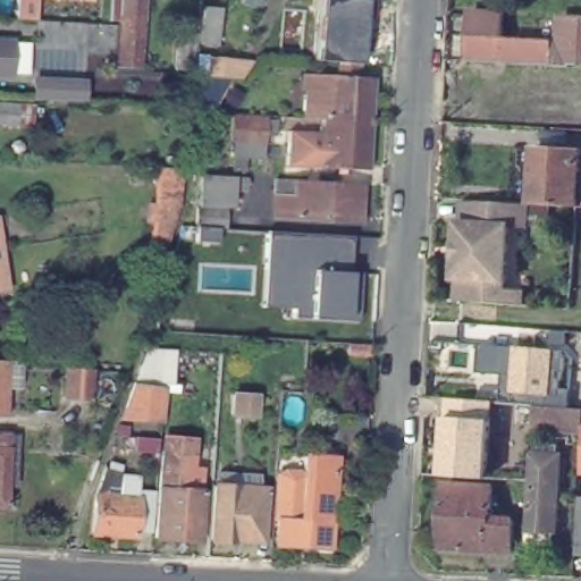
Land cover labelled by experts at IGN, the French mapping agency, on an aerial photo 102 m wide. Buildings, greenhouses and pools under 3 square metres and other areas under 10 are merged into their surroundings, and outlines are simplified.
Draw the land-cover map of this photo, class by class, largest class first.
<instances>
[{"label":"herbaceous vegetation","instance_id":"1","mask_svg":"<svg viewBox=\"0 0 581 581\"><path fill-rule=\"evenodd\" d=\"M41 18L50 23L109 25V18L98 16V5L102 0H39ZM152 20L170 7L175 16L191 18L195 23V30L200 32L204 9L220 7L225 11L222 32L227 34V43H220L216 48L204 45L200 34L195 36V48H191L188 59L200 64L202 54L247 59L254 64L256 59L268 54H284V18L291 16L293 7L304 9V32L297 30L300 48L313 50V0H148ZM370 39L377 41V48L370 54V66L359 68V118L354 166L374 168L379 163L381 132L379 118H390V107H395L393 86L386 84L390 79V52L386 48L393 45V34H379L381 5L386 0H370ZM556 14H572L581 18V0H527L517 9V18H502V36L540 41H554L551 32H542V23L547 18ZM175 45H168L163 39L157 36L150 41L145 64L138 70L116 73L113 61H118L120 57L113 50L109 54L89 57V66L84 70L86 79L91 86V102L36 98L30 107H41L45 111L32 125L50 134L64 132L70 138L73 157L66 163L30 154L20 143V129L0 127V218L7 241L9 275L14 291L27 284L43 268L45 261H52L61 252H66L73 241L82 245V256L86 261L98 256H113L120 266L136 250L150 245L175 252L184 263H191L193 259L197 263H229V266L252 270V288L243 293L211 291V293H200V291H197V284L188 291V302L179 304L172 322L152 350L179 352L177 381L182 384V393L170 395L166 422H132L129 429L116 427L107 449H100L68 452L73 465H59L57 456H48V429L27 431L25 479L20 486V497L14 502L9 513H0V547L66 549L86 547V542L93 536V502H100L102 490L107 474L100 468L104 463H116L113 456H127L129 465H138L141 454L136 438H166L172 433L195 436L202 445L218 449V458L227 465L229 472L236 470L243 474H263L266 486L277 483V461L295 456L291 452V422L286 420L284 411L288 397H295L300 388L295 386V381L306 374L309 363L343 370L350 359V345L372 347L386 345V336H372V320L370 306L356 322H297L291 318V309H263L261 297L266 231H234L227 234L220 243L209 245L200 247L179 236L184 227H195L191 188L197 186L200 177L195 175L193 179H184L182 207L177 211V222L172 227V238H159L152 236V227L148 222L150 204L157 200L154 179H138L123 166H113L109 148L102 143L100 136L116 134L123 152L138 150L143 154L159 150L166 159L163 168L170 170V159H175L184 148V143L177 138L191 129V125H177L172 113L163 118H152L141 102L123 104L116 113H102V104L95 100L100 91H125L129 82H136L138 93L150 95L152 100L157 89L177 86L182 82L179 70H175L172 66ZM34 182L50 184L54 193L52 222L43 227L39 234L30 229L20 231L7 213V209L16 204L11 195ZM213 354H222V388L231 395H263V415L256 422L245 424V461L243 465H236L234 422L229 404L222 402L220 436L211 433L216 402ZM234 356L250 363L252 372L247 377L231 374L229 363ZM43 499H52L59 506H64L73 520V527H68L59 538H32L25 533L23 513H30L32 506ZM443 113H449L454 118V125L536 129L540 143L547 148L556 145L581 150V73L574 79H563L547 75L545 66H515L506 64L504 59L470 61L468 57L454 54V59H445ZM300 73L297 68L279 66L268 75V79L256 93L247 95L243 107L275 111L284 100H288ZM456 143L454 168L463 182L461 186H456V191L461 193L499 191L508 186V182L511 154L515 145H486L458 138L454 141L447 136L438 143V157H443V148H452ZM236 168L229 166V154L225 150H218V166L209 168L207 177L234 175ZM515 291L522 293V300L515 306H499L497 311L474 302L461 304L456 309V304L449 297L431 302L436 306V322L527 327L549 331H565L567 347L576 359L581 356V247L574 250L572 245L558 238L549 247V254H545L538 247L536 256L527 263V268L520 272V284ZM141 313L132 311L127 302L118 297V311L111 313L98 329L91 327L79 338V343L89 347V354L95 365L93 370L102 372V379H111V381H116V386H113L111 393L104 397H93L91 393H86L89 406H84L82 411V420L89 422L91 429H102V418L109 409L118 418L123 415L136 370L134 365H125L120 361L125 356V340L136 329ZM59 365L23 368L25 388L11 393L14 411H57L59 402L61 384H48L52 370H57ZM427 397H445L474 399L477 388L465 372L436 370L427 374ZM483 465L479 477L490 488L488 513L504 515L511 520L513 549L522 540L520 504L524 502L527 454L531 447L527 445V436L536 427L529 415V406H517L515 411H511L508 406H490L488 420L483 422ZM329 427L365 429L363 415L336 413ZM433 420L424 418L422 443V497L418 504V529L420 533H427L433 540ZM554 445L558 449L561 506H556V531L549 540V545L556 551L558 574L574 576L579 581H581V561H572V533L567 527V517L581 511V440L576 438L570 445H565L563 436ZM136 545L138 549L152 547L154 556H216L247 561L268 558V556L266 540H241L238 545H229L225 549L222 545L213 542L211 536H207L204 547H200L197 542L186 540L152 538L145 529L134 540L111 538V551ZM440 572L492 574L495 570L504 567L511 570V556L490 551L481 554V558L463 554L440 556Z\"/></svg>","mask_w":581,"mask_h":581},{"label":"building","instance_id":"2","mask_svg":"<svg viewBox=\"0 0 581 581\"><path fill-rule=\"evenodd\" d=\"M16 16L25 20L41 18L39 0H18ZM98 16L109 18V25L116 27L113 50L120 57L118 61H113L116 73L138 70L145 64L150 41L152 20L148 0H102L98 5ZM329 27L322 59L329 66H338L336 75L300 73L288 100L302 107V116L288 118L238 116L243 107L247 95L238 79L247 77L254 64L247 59L202 54L200 64L207 73L213 75L211 84L204 91L202 104L207 109H220L231 118L229 141L225 150L229 154V166L236 168L234 175L207 177H200L197 186L191 188L195 227L202 229V241L209 245L220 243L227 234L234 231L229 225V209H241L238 179H247L243 184V193H250V182L256 172L275 175V159L268 157L266 148L275 143V136L279 132H293V163H297L302 172H338L345 166H354L359 118V68L370 66V54L377 48V41L370 39V0H325ZM447 9V11L456 16L454 54L468 57L470 61L504 59L506 64L515 66H545L547 75L563 79H574L581 73V18L572 14H556L547 18L542 23V32H551L554 41H540L502 36V18L497 11L479 9L472 0H445ZM225 11L220 7L204 9L200 32V34L204 45L216 48L220 43H227V34L222 32ZM25 82L34 86V95L36 98L91 102V86L86 79L41 77L32 70V43L18 45L14 39H0V84ZM191 48L175 45L172 66L175 70H179L188 59ZM45 111L41 107H30L0 102V127L20 129L32 125ZM524 172L520 186V202H463L461 216H440L433 229V243L443 245V254L449 297L456 304V309L461 304L474 302L497 311L499 306H515L522 300V293L515 291L504 288L502 284L506 231L504 222L506 218H515L517 227L531 231L536 220L547 218L549 209H581V150L556 145L547 148L540 143L538 148H524ZM157 200L150 204L148 222L152 227V236L159 238H172V227L177 222V211L182 207L184 179L175 170H170L163 168L161 175L154 179ZM365 177L340 175L338 182H295L279 179V175H277L272 179V218L277 222H320L359 227L365 222L368 216V193L361 191V182ZM14 291L9 275L7 241L0 218V295ZM356 259V254L352 236L266 231L261 297L263 309H291V318L297 322H356L370 306L372 320L386 309L388 272L381 270L368 275L354 270L352 261ZM581 361V356L576 359L567 347L565 331H549V336L542 338L540 347L502 350L492 338H483L479 343V347L474 350V370L483 374H497V384H488V388L495 393L497 406H508L511 411H515L517 406H529V415L536 427L551 424L563 436L565 445H570L576 438L581 440V411L567 406V393L558 386V381L565 363ZM350 359L372 356V347L350 345ZM179 352L152 350L150 354H145L136 370L123 415L118 418L116 427L129 429L132 422H166L170 395L182 393V384L177 381ZM216 402L211 433L220 436L222 402L229 404L234 422L245 424L256 422L263 415V395H231L222 388V354H213ZM25 388L23 368L16 361H0V418L14 411L11 393ZM100 379H102V372L93 370L70 368L66 370L61 384L59 402L66 409L79 406L82 411L84 406H89L86 393H91L93 397H104L111 393L113 386H100ZM490 406L483 399H474L445 397L440 402V413L433 420V540L431 547L440 556L463 554L481 558V554L490 551L511 556L513 549L511 520L504 515L488 513L490 488L479 477L483 465V422L488 420ZM27 431L18 424H0V513H9L14 502L20 497V486L25 479ZM141 454H152L159 461L157 490H145L141 477L127 474L120 486L107 492L102 490L100 502H93V536L111 538L134 540L145 529L152 538L186 540L197 542L200 547H204L207 536H211L213 542L222 545L225 549L229 545H238L241 540H266L268 556L277 547L331 554L338 549V517L334 515V506L336 497H340L343 486V456L331 454L295 456L277 461V483L266 486L263 474H243L236 470L229 472L227 465L218 458V449L202 445L195 436L172 433L166 438H136ZM556 506H561L558 449L554 445H545L538 440V445L531 447L527 454L524 502L520 504L522 540H549L556 531ZM567 527L572 533V561H581V511L567 517Z\"/></svg>","mask_w":581,"mask_h":581},{"label":"impervious surface","instance_id":"3","mask_svg":"<svg viewBox=\"0 0 581 581\"><path fill-rule=\"evenodd\" d=\"M313 54L322 59L329 27L325 0H313ZM404 9L398 14L396 82L393 86L395 107H390V118H379L381 132L388 125L393 127V152L399 157L386 161L384 166L379 163L374 168L354 166H345L338 172H302L279 175V179L295 182H338L340 175L365 177L361 182V191L368 193V216L365 222L359 227L320 222H277L272 218V179L277 175H275L256 172L250 182V193H243V184L247 179H238L241 209H229V225L234 231H266L352 236L356 254V259L352 261L354 270L368 275L381 270L388 272L386 309L372 320V336H386V345L372 347V356L377 359V370L381 374L379 395L374 399V413L363 415L365 429L329 427L306 424L304 436L309 440L322 438L331 454L343 456L352 449V440H356L359 431H363L365 438H381L393 452L399 454L397 470L393 472L388 492L379 502H374L370 511V547L368 561L352 574H318L309 570L293 572L291 567H286L284 572H275L186 567L177 563L152 565L154 556L152 547L138 549L136 545L111 551L98 556L86 547L66 549V561L0 556V581H433L427 579L418 567L411 554V533L413 486L418 479L413 477V452L406 445L415 440L422 443L424 418L433 420L440 413V402L445 397H427V388L420 386V363L415 359L420 356V345L415 343V334L418 325L422 322V302L427 300L429 261L418 254L420 245L429 241V229H433L440 216H461L463 202H520V186L508 182V186L499 191L461 193V197H443L438 191L443 157H438V143L433 141L436 123L431 120V104L433 73L438 68H431V50H436L433 27L438 23V16L447 9L445 0H397ZM456 16L447 11L445 59H454V54ZM0 39H14L18 45L32 43V70L41 77L86 79L84 70L89 66V57L109 54L113 50L116 27L109 25L50 23L41 18L25 20L16 16L14 20H0ZM0 93L34 95V86L25 82L0 84ZM443 120L452 123L447 127V136L454 141L458 138L486 145H515L524 143V148H538L540 143L536 129L454 125V118L449 113H443ZM506 231L502 284L504 288L515 291L520 284V272L527 268V263L520 252V243L531 236V231L517 227L515 218H506L504 222ZM227 266H229V263H197V291H200V293H211V291H209V288H204V284H202V275H204V268H227ZM549 336V331L527 327L436 322L429 325V352L438 356L436 370L465 372L477 388L474 399H483L490 406H497L495 393L488 388V384H497V374H483L474 370V350L479 347V343L483 338H492L502 350L540 347L542 338ZM454 352L465 354V365L449 363V356ZM558 386L567 393V406L581 411V361L565 363L558 381ZM245 424L234 422L236 465H243L245 461ZM107 474L102 490L107 492L120 486L127 474L123 463H104L100 468Z\"/></svg>","mask_w":581,"mask_h":581},{"label":"deciduous trees","instance_id":"4","mask_svg":"<svg viewBox=\"0 0 581 581\"><path fill-rule=\"evenodd\" d=\"M479 9L497 11L502 18H517V9L527 0H472ZM200 34V32L195 30V23L191 18L175 16L170 7L152 20L150 41L157 36L163 39L168 45H175L191 48H195V36ZM182 82L177 86L157 89L152 100L141 102L152 118H163L172 113L177 125H191V129L177 138L184 143V148L175 159H170V170H175L184 179H193L195 175L200 177H207L209 168L218 166V150H225L229 141L231 118L220 109H207L202 104L204 91L211 84L213 75L207 73L200 64L188 59L179 70ZM20 143L30 154L66 163L73 157L70 138L64 132L50 134L32 125L20 129ZM102 143L109 148L113 166H123L138 179H154L161 175L163 168L166 159L159 150L143 154L138 150L123 152L116 134L100 136ZM16 204L7 209V213L20 231L30 229L39 234L43 227L52 222L54 193L50 184L34 182L11 195ZM558 238L572 245L574 250L581 247V209H549L547 218L536 220L531 231V236L520 243V252L527 263L536 256L538 247L545 254H549V247ZM184 263L175 252L150 245L136 250L120 266L113 256H98L86 261L82 256V245L73 241L66 252H61L52 261H45L43 268L27 284L14 291L0 295V361H16L23 368L59 365L57 370H52L48 384H61L66 370L70 368L93 370L95 365L89 354V347L79 343V338L91 327L98 329L111 313L118 311V297L127 302L132 311L141 313H150V306L157 297H168L172 293V288L182 279ZM231 374L247 377L252 372L250 363L234 356L229 363ZM381 374L377 370V359L372 356L350 359L343 370L309 363L306 374L295 381V386L300 388L295 397L304 402V418L302 422H291V452L295 456L331 454L322 438L309 440L304 436L306 424L329 427L336 413L363 415L374 413V399L379 395ZM91 429L89 422L82 420H70L68 424H64V449L61 456H57L59 465H73L68 452L100 449L95 447L93 438H89ZM563 436L551 424L536 427L527 436V445L531 447L538 445V440L545 445H554ZM399 454L393 452L381 438H365L363 431H359L356 440H352V449L343 456V486L340 497H336L334 506V515L338 517V549L331 554L338 567L350 563L363 545L370 547V511L374 502H379L388 492L393 472L397 470ZM116 463H123L127 474L141 477L145 490H157L159 461L152 454H141L138 465H129L127 456H113ZM25 533L32 538H59L68 527H73V520L64 506H59L52 499H43L32 506L30 513H23ZM433 540L427 533H420L418 529L411 533V554L418 567L431 561V567L440 572V556L431 547ZM86 547L98 556L111 551V538L93 536L86 542ZM511 570L515 576H520V581H579L574 576L558 574L556 551L549 545V540H522L513 549L511 556Z\"/></svg>","mask_w":581,"mask_h":581},{"label":"pervious surface","instance_id":"5","mask_svg":"<svg viewBox=\"0 0 581 581\"><path fill-rule=\"evenodd\" d=\"M404 9L397 0H386L381 5L379 34H393V45L386 48L390 52V79L386 84L393 86L396 82L398 14ZM447 11V9L438 16V23L433 27L436 50H431V68H438L433 73L431 104V120L436 123L433 141L438 143L447 136V127L452 123L443 120V113L445 59ZM393 127L388 125L381 132L379 163L384 166L386 161L399 157L393 152ZM268 157L275 159V175H279L302 172L297 163H293V132H279L275 136V143L266 148ZM179 236L200 247L209 245L202 241V229L195 227H184ZM433 254H443V245L433 243V229H429V241L420 245L418 254L429 261ZM436 306L431 302L427 300L422 302V322L418 325L415 334V343L420 345V356L415 359L420 363V386L427 388V374L436 370L438 356L429 352V325L436 322ZM70 420H82V411L79 406L66 409L59 402L57 411H14L0 418V424H18L27 431L48 429V456H61L64 449V424H68ZM413 452V477L418 479L413 486L411 533L418 529V504L422 497V443L415 440L406 445ZM370 547L363 545L350 563L338 567L302 563L291 567L293 572L309 570L318 574H352L368 561ZM0 556L66 561V549L0 547ZM177 563L186 567L275 572L272 561L268 558L247 561L216 556H154L152 565ZM427 579L433 581H520V576H515L511 570L504 567L495 570L492 574L440 572L431 567V561L418 567Z\"/></svg>","mask_w":581,"mask_h":581},{"label":"brushwood","instance_id":"6","mask_svg":"<svg viewBox=\"0 0 581 581\"><path fill-rule=\"evenodd\" d=\"M279 66L297 68L300 73L336 75L338 66H329L322 59L313 54V50L300 48L295 54H268L256 59L254 64L247 77L238 79L247 95L256 93L268 79V75ZM95 100L102 104V113H116L123 104L141 102L152 100L150 95L138 93L136 82H129L125 91H100ZM36 98L34 95L0 93V102L30 107ZM238 116L288 118L302 116V107L288 100H284L275 111L243 107ZM456 143L452 148H443V157L438 191L443 197H461V193L456 191V186H461L463 182L454 168ZM524 143L515 145L511 154L508 182L520 186L524 172ZM427 300L431 302L449 297L443 254H433L429 261ZM197 284V263L193 259L191 263H184L182 279L172 288V293L168 297H157L150 306V313H141L136 329L125 340V356L120 361L125 365H134L136 370L145 354H150L152 350L172 322L179 304L188 302V291ZM118 418L109 409L102 418V429H91L89 438H93L95 447L100 449H107L116 427ZM272 561L275 572H284L286 567H291L302 563L338 567L331 554L277 547L268 556V558Z\"/></svg>","mask_w":581,"mask_h":581},{"label":"swimming pool","instance_id":"7","mask_svg":"<svg viewBox=\"0 0 581 581\"><path fill-rule=\"evenodd\" d=\"M18 0H0V20H14L16 16ZM304 9L293 7L291 16L284 18V54H295L300 48L297 30L304 32ZM252 270L229 266H227V268H204V275H202V284H204V288H209V291H211L243 293L252 288ZM449 363L465 365V354L454 352L449 356ZM100 386H116V381H111V379H100ZM286 420L291 422H302L304 418V402L295 397H288L284 411Z\"/></svg>","mask_w":581,"mask_h":581}]
</instances>
